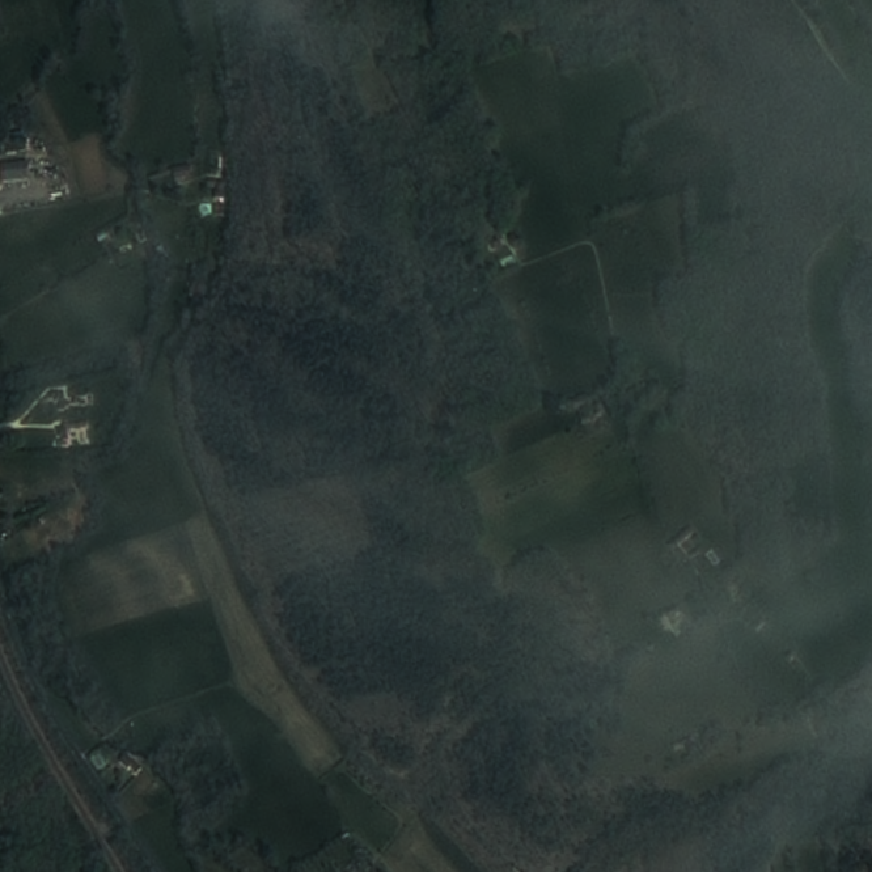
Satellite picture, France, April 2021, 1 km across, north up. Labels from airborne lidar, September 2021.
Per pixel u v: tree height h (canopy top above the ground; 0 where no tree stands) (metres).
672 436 0
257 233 8
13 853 21
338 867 10
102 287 0
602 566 0
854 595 0
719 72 17
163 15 0
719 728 15
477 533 21
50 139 0
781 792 18
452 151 24
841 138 16
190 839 21
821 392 25
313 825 0
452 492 20
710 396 29
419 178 22
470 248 15
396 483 16
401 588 12
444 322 20
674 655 0
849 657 0
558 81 0
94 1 20
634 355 12
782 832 18
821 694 17
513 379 21
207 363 16
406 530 12
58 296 0
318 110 12
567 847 7
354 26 10
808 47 19
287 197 14
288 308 13
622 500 0
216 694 0
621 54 18
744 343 22
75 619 0
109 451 7
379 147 11
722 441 19
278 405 21
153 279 19
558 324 0
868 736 20
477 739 14
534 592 19
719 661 7
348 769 14
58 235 0
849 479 0
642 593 0
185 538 0
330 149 16
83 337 0
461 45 22
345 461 16
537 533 0
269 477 11
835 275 0
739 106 17
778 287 22
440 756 14
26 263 0
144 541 0
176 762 16
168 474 0
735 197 24
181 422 17
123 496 0
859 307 20
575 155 0
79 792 9
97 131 0
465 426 25
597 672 9
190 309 10
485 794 14
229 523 9
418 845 0
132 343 0
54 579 10
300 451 8
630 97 0
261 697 0
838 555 0
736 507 21
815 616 0
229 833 0
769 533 25
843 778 15
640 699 0
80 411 6
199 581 0
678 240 0
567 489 0
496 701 13
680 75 12
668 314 26
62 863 25
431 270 11
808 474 10
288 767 0
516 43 17
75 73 0
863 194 17
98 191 0
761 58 17
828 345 0
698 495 0
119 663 0
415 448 19
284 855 0
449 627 12
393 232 19
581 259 0
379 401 20
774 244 21
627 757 0
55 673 8
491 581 20
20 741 26
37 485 0
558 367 0
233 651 0
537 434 0
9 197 0
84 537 17
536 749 18
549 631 16
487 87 0
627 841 22
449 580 14
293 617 13
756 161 19
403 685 12
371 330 17
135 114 0
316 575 6
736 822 7
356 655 17
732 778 0
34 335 0
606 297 0
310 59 9
